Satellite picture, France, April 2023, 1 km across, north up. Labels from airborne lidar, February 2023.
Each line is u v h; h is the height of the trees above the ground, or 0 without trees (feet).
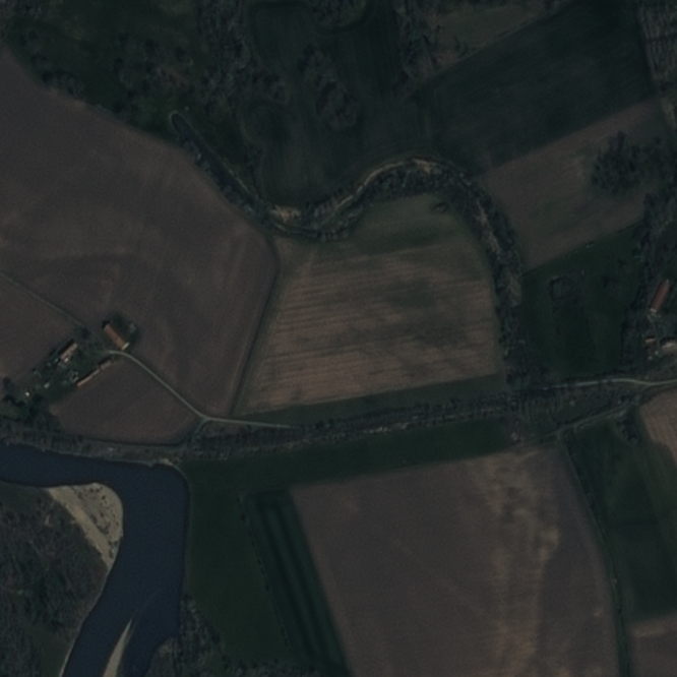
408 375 0
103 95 0
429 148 0
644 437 0
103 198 0
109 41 0
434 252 0
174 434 0
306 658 0
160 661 32
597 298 0
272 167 0
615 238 0
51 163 0
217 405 0
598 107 0
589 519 0
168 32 0
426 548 0
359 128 0
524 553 0
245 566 0
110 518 0
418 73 82
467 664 0
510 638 0
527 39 0
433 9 84
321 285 0
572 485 0
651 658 0
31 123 0
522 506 0
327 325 0
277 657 0
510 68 0
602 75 0
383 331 0
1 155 0
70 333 0
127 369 0
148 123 0
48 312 0
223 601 0
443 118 0
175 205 0
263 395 0
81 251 0
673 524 0
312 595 0
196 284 0
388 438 0
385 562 0
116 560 0
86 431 0
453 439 0
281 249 0
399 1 27
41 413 58
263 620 0
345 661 0
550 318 0
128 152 0
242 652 0
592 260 0
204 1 50
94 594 78
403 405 0
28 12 45
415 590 0
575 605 0
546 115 0
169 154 0
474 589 0
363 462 0
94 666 0
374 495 0
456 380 0
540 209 0
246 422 0
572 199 0
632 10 0
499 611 0
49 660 0
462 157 0
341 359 0
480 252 0
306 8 0
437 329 0
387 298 0
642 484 0
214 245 0
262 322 0
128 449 0
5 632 84
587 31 0
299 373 0
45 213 0
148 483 0
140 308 0
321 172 0
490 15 0
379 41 0
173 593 0
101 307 0
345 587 0
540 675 0
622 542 0
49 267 0
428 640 0
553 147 0
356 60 0
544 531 0
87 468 0
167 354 0
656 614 0
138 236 0
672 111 0
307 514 0
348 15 91
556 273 0
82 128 0
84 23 0
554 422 0
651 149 0
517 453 0
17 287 0
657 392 0
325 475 0
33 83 0
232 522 0
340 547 0
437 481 0
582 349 0
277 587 0
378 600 0
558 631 0
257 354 0
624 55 0
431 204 0
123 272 0
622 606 0
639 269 0
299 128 0
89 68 0
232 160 0
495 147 0
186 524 0
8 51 0
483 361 0
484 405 30
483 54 0
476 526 0
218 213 0
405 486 0
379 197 59
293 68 0
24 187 0
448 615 0
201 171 51
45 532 30
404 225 0
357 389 0
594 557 0
